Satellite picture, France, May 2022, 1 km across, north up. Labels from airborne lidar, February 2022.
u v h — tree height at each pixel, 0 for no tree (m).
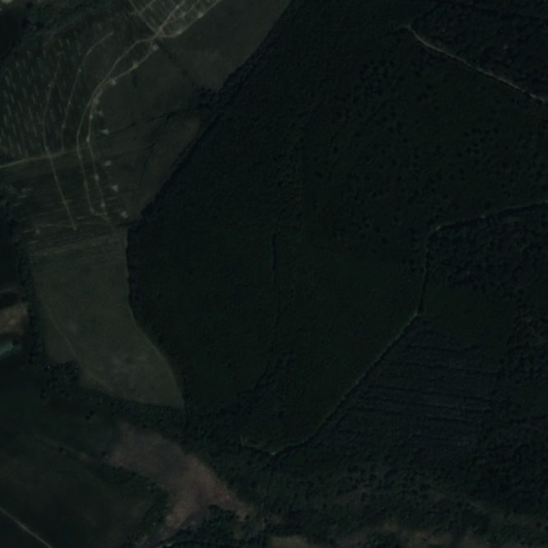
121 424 0
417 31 26
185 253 14
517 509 18
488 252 28
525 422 24
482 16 32
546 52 30
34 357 14
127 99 0
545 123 23
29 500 0
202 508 0
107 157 0
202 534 11
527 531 6
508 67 29
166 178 0
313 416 11
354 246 7
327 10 14
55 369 12
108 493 0
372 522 6
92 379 0
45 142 0
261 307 14
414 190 6
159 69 0
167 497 6
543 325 25
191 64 0
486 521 6
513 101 22
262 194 21
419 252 22
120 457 0
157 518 7
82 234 0
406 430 16
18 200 0
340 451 15
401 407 16
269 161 24
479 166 20
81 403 0
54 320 0
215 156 21
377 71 20
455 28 33
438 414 15
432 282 15
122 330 0
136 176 0
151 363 0
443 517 7
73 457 0
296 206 20
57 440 0
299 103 26
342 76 21
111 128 0
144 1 0
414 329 14
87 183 0
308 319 11
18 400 0
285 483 5
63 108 0
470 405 16
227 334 15
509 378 23
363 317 11
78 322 0
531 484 20
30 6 19
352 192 26
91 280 0
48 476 0
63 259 0
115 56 0
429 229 22
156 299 11
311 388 7
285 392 20
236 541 8
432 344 13
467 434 18
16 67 0
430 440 16
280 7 0
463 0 30
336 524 12
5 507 0
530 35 31
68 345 0
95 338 0
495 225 26
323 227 7
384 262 11
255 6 0
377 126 23
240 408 25
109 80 0
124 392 0
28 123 0
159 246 17
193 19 0
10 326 0
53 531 0
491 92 10
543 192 18
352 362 10
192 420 16
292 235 20
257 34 0
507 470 23
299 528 11
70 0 0
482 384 17
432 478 6
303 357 14
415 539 0
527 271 32
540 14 28
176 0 0
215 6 0
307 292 13
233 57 0
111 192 0
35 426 0
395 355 14
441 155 22
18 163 0
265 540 8
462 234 26
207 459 0
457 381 17
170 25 0
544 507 19
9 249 0
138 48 0
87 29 0
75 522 0
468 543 0
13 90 0
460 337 12
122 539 0
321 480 16
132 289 8
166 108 0
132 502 0
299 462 17
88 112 0
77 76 0
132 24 0
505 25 31
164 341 13
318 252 10
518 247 29
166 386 0
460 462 13
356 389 10
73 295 0
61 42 0
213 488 0
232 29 0
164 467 0
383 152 19
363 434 14
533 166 25
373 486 11
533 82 30
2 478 0
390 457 14
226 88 10
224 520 13
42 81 0
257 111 25
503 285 29
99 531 0
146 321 15
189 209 18
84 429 0
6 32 0
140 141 0
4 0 0
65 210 0
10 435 0
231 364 14
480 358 16
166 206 18
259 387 18
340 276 13
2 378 0
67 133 0
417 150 17
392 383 13
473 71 12
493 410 23
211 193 19
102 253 0
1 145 0
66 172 0
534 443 26
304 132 16
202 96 12
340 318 10
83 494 0
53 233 0
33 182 0
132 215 0
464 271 26
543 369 24
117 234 0
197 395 9
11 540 0
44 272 0
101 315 0
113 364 0
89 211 0
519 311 18
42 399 9
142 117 0
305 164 14
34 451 0
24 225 0
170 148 0
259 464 6
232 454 22
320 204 7
